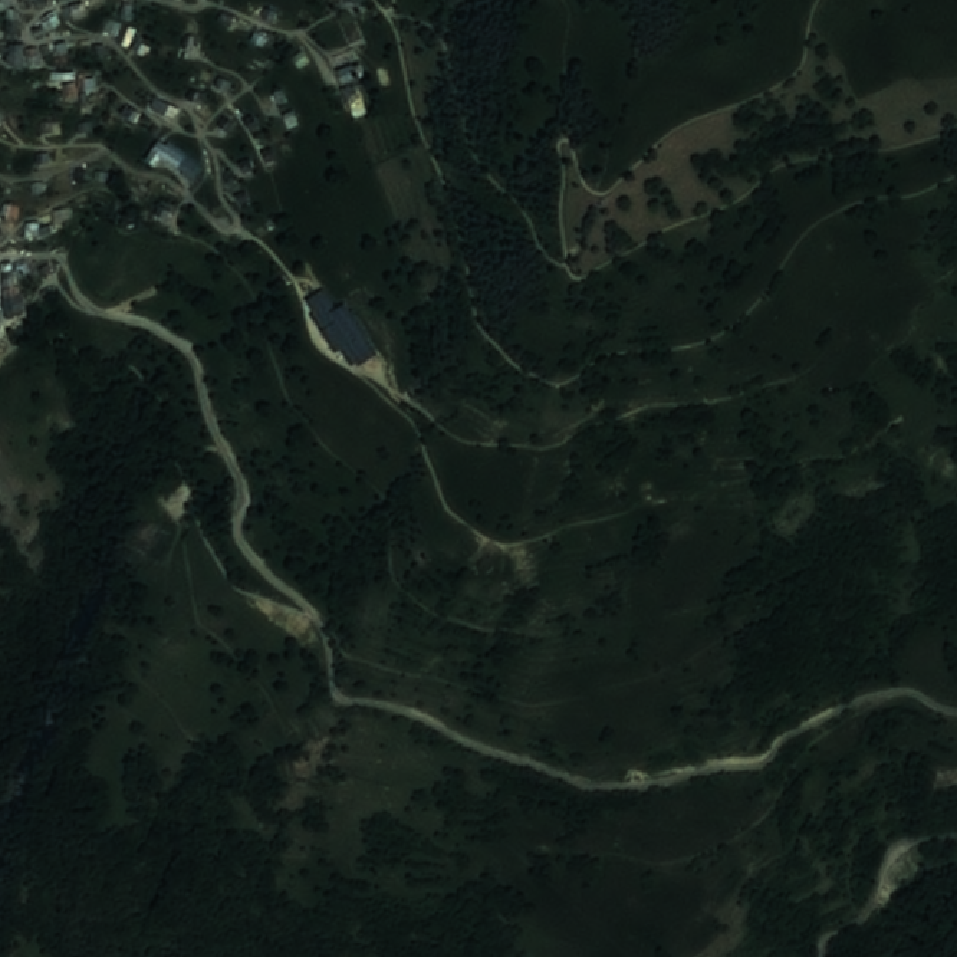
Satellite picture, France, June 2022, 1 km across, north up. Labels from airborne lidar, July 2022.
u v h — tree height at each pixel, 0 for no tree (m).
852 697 11
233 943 17
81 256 0
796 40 0
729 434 0
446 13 13
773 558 16
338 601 15
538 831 0
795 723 7
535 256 14
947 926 27
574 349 10
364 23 0
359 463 0
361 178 0
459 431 0
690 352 0
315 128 0
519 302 19
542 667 0
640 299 0
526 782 14
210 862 13
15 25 0
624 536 0
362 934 9
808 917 14
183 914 12
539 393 14
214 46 6
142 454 19
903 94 0
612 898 0
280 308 24
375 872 14
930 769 10
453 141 13
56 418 0
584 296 8
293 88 0
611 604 11
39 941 11
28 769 9
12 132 0
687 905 0
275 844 8
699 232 0
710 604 9
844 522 14
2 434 0
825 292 0
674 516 0
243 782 14
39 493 0
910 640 21
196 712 0
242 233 0
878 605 12
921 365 10
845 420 0
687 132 0
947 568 16
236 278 0
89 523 31
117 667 12
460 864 13
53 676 16
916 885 9
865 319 0
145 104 8
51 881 14
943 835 7
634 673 0
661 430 12
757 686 16
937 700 0
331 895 14
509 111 15
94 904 16
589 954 0
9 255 0
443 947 14
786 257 0
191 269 0
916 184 0
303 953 16
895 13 0
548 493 0
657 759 7
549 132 13
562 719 0
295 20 0
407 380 0
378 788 0
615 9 17
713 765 0
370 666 0
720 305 12
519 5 14
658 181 12
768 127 8
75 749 11
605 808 13
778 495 9
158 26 6
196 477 14
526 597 9
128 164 0
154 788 12
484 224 15
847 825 12
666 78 0
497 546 0
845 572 15
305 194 0
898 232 0
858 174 19
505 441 9
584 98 13
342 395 0
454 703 0
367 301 0
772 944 11
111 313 0
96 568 15
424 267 14
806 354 0
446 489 0
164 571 0
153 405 21
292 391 0
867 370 0
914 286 0
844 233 0
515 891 9
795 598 15
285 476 8
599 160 0
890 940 12
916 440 0
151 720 0
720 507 0
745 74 0
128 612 12
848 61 0
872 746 13
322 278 0
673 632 0
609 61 0
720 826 0
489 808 11
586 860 11
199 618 0
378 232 0
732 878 8
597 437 16
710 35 0
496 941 14
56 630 17
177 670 0
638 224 0
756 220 13
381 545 11
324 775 14
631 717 0
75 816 23
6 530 8
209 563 0
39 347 17
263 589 0
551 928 0
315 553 8
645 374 0
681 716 16
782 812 13
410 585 7
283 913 16
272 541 0
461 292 12
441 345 12
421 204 0
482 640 13
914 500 15
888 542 7
